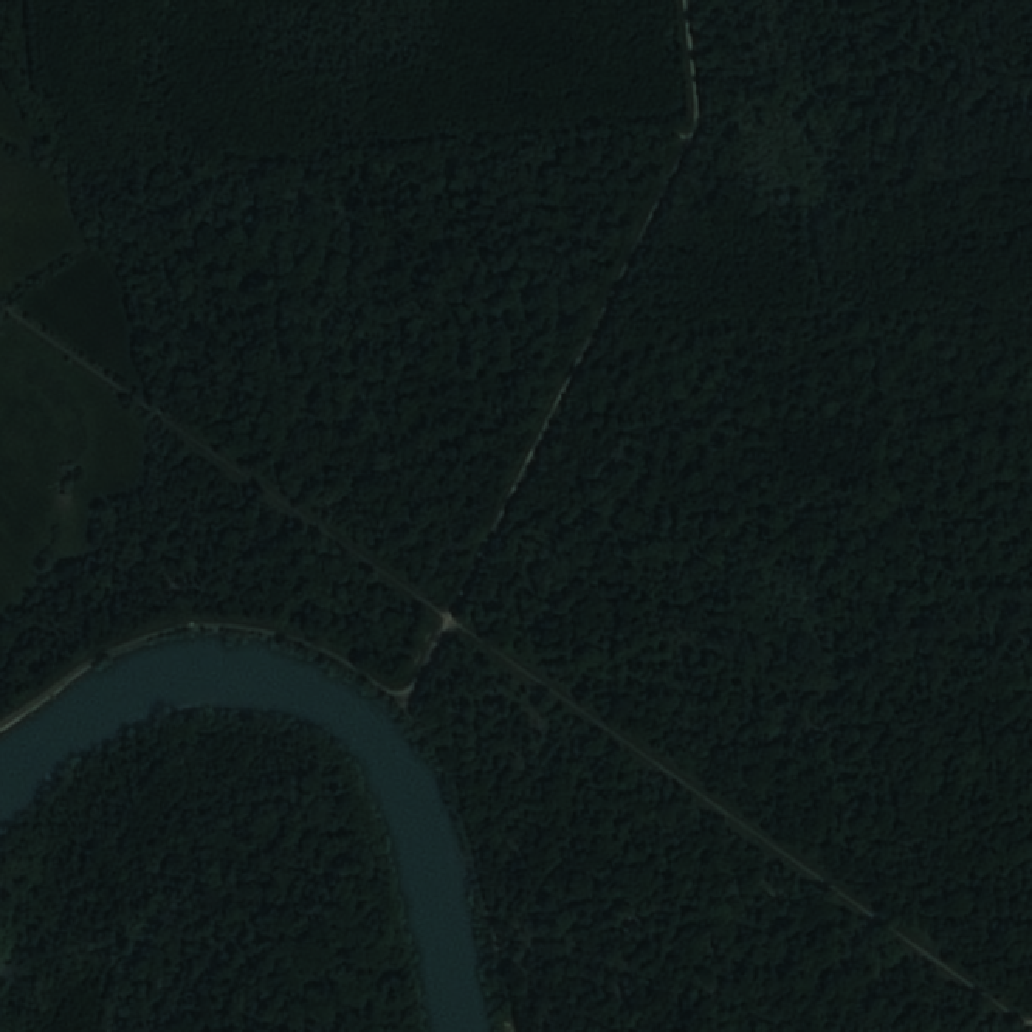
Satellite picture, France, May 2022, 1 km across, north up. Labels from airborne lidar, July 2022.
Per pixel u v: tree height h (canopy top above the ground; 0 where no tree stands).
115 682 0
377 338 23
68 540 0
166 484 19
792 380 20
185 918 20
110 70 14
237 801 21
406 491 12
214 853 21
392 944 21
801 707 16
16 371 0
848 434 21
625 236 22
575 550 28
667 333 15
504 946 12
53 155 7
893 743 20
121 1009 23
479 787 23
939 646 22
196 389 17
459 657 12
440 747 15
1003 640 21
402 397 27
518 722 11
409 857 0
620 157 22
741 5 20
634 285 18
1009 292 18
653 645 19
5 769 0
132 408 15
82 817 9
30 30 16
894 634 33
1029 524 26
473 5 15
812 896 24
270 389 30
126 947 28
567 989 14
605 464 13
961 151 34
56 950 20
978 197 16
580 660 27
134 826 17
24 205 0
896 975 15
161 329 18
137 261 10
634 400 22
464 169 24
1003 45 34
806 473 16
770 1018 19
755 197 26
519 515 19
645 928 22
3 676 17
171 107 12
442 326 10
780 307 17
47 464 0
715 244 17
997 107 21
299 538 24
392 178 13
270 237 26
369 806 19
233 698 0
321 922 31
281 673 0
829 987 26
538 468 14
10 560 0
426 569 18
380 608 17
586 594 19
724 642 30
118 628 26
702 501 13
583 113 11
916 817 21
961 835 23
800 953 25
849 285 17
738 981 25
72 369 0
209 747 16
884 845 21
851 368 18
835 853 19
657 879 18
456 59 12
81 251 0
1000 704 20
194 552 14
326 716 0
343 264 23
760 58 17
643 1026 14
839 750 19
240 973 12
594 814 18
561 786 24
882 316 12
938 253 15
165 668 0
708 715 12
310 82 12
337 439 25
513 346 18
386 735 0
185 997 21
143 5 12
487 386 11
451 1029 0
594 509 24
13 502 0
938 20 14
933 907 21
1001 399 8
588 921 25
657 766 0
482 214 15
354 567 19
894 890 17
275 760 19
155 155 10
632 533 20
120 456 0
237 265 28
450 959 0
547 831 21
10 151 10
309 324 28
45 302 0
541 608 19
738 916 20
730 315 13
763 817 16
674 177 7
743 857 19
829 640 16
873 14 23
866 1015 25
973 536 23
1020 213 19
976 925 15
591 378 15
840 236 31
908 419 15
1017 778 17
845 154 15
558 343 21
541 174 17
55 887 6
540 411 10
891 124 28
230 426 23
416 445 26
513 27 14
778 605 19
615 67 11
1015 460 11
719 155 25
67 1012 12
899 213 23
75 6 15
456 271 25
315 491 23
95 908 11
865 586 28
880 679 24
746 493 28
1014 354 20
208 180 8
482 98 14
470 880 6
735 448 13
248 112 14
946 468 21
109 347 0
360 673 14
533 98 13
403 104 15
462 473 21
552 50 15
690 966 17
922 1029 24
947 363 16
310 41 19
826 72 24
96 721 0
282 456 11
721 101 21
